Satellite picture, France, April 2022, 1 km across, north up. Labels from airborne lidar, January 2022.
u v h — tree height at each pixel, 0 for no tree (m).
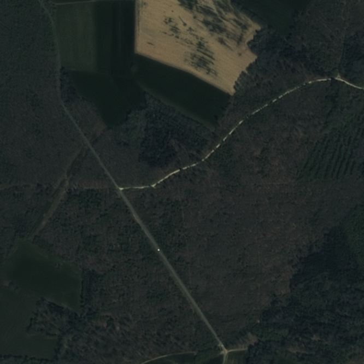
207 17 0
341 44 12
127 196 7
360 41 24
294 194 7
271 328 16
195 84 0
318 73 10
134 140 23
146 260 10
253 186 7
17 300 0
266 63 30
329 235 10
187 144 14
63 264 0
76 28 0
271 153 6
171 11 0
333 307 15
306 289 10
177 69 0
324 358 15
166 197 7
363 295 24
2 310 0
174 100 0
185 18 0
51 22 13
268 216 6
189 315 8
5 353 0
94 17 0
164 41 0
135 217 0
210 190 10
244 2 0
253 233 5
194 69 0
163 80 0
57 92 18
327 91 13
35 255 0
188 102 0
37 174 18
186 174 7
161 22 0
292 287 13
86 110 20
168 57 0
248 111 10
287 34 0
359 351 26
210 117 0
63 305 0
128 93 0
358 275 12
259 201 6
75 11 0
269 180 6
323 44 10
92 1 0
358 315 18
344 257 13
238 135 9
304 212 10
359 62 28
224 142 12
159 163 19
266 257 6
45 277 0
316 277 16
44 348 0
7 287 0
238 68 0
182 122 21
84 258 12
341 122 23
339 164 13
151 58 0
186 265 7
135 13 0
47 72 18
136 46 0
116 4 0
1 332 0
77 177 17
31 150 19
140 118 18
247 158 8
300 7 0
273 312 8
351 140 14
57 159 20
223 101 0
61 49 0
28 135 16
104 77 0
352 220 15
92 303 11
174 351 27
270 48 18
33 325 11
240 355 0
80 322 13
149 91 0
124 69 0
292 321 32
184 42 0
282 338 13
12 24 19
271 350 17
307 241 9
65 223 6
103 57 0
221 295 8
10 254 15
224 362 0
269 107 8
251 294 6
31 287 0
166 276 7
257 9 0
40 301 0
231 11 0
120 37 0
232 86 0
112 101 0
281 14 0
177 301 9
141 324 8
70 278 0
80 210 7
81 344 32
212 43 0
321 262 19
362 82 26
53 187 16
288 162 8
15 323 0
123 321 8
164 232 8
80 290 0
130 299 9
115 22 0
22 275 0
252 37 0
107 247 7
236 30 0
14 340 0
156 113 22
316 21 6
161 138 21
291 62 7
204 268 9
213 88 0
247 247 7
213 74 0
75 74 0
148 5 0
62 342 24
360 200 10
